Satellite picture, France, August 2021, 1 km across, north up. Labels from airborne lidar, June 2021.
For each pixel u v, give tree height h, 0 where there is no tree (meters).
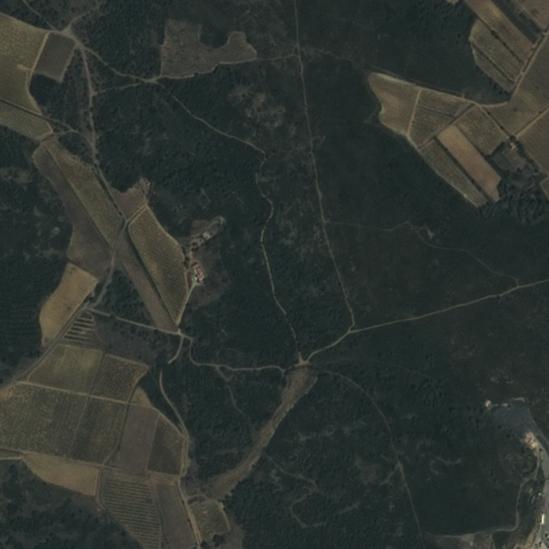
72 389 0
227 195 8
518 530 0
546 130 0
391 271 0
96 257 0
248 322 7
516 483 0
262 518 7
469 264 0
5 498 0
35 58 0
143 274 0
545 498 0
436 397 8
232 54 0
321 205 0
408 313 0
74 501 0
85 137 0
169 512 0
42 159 0
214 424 7
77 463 0
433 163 0
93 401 0
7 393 0
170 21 0
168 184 8
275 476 0
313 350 6
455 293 0
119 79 7
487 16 0
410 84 0
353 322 0
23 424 0
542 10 0
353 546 7
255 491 10
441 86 0
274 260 8
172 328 0
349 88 0
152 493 0
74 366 0
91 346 0
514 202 14
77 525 0
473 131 0
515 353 0
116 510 0
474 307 0
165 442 0
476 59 0
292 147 0
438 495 0
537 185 0
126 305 8
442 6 9
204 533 0
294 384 0
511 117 0
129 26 7
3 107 0
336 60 0
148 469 0
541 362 0
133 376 0
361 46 0
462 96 0
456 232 0
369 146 0
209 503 0
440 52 0
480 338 0
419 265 0
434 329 0
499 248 0
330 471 6
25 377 0
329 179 0
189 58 0
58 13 7
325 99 0
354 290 0
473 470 0
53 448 0
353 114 0
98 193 0
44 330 0
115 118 7
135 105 6
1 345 6
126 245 0
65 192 0
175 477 0
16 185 6
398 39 0
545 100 0
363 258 0
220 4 0
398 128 0
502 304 0
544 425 0
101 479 0
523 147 7
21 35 0
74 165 0
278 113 0
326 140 0
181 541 0
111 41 7
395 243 0
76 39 0
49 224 0
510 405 0
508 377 0
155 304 0
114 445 0
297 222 0
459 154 0
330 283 0
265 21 0
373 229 0
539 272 0
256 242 6
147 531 0
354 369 6
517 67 0
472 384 0
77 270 0
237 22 0
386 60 0
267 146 0
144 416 0
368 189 0
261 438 0
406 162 0
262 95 0
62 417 0
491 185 0
